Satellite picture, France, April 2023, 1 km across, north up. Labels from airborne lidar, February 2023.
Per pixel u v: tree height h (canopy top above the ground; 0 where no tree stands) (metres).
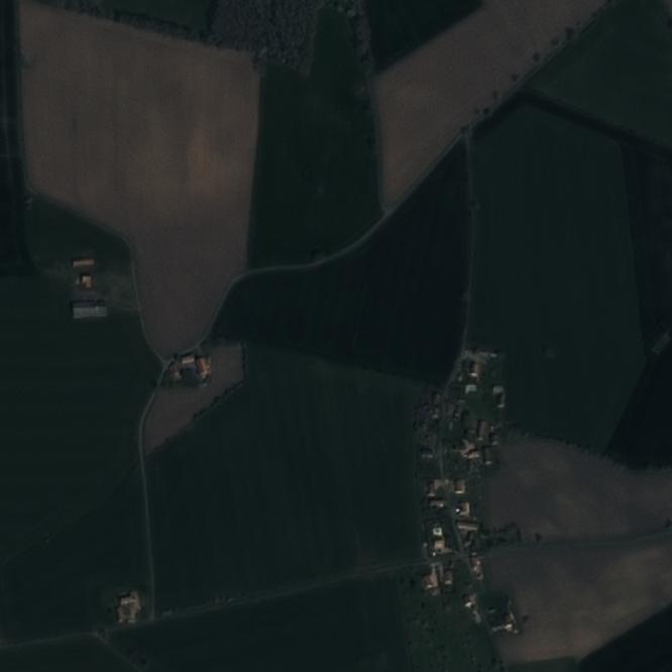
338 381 0
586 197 0
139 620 0
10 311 0
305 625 0
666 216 0
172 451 0
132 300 0
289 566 0
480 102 0
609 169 0
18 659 0
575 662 0
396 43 0
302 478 0
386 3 0
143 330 0
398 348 0
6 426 0
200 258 0
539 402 0
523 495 0
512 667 0
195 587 0
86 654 0
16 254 0
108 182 0
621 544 0
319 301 0
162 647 0
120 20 21
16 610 0
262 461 0
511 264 0
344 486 0
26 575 0
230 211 0
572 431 0
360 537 0
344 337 0
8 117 0
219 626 0
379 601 0
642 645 0
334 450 0
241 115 0
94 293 0
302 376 0
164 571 0
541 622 0
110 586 0
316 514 0
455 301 0
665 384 0
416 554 0
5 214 0
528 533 0
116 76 0
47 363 0
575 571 0
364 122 0
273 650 0
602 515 0
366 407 0
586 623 0
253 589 0
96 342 0
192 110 0
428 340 0
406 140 0
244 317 0
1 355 0
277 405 0
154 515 0
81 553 0
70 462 0
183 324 0
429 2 0
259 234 0
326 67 0
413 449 0
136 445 0
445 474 0
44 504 0
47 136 0
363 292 0
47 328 0
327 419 0
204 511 0
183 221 0
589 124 0
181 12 0
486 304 0
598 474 0
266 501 0
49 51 0
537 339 0
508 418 0
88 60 0
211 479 0
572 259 0
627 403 0
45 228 0
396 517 0
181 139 0
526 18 0
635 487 0
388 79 0
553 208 0
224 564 0
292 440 0
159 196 0
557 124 0
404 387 0
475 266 0
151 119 0
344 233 0
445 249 0
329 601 0
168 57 0
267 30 18
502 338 0
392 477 0
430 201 0
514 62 0
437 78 0
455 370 0
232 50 17
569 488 0
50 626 0
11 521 0
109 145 0
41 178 0
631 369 0
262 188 0
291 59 23
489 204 0
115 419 0
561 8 0
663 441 0
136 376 0
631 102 0
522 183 0
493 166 0
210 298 0
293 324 0
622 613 0
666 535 0
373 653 0
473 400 0
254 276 0
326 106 0
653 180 0
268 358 0
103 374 0
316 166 0
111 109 0
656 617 0
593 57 0
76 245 0
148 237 0
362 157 0
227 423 0
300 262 0
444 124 0
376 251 0
